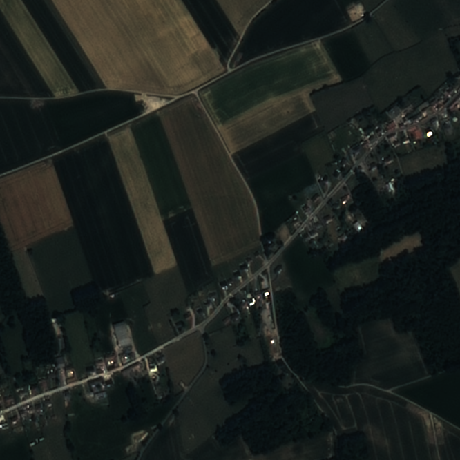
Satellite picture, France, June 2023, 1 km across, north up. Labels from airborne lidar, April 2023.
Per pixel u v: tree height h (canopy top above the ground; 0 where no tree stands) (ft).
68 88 0
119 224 0
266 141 0
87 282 0
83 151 0
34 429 0
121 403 0
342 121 0
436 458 0
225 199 0
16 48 0
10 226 0
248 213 0
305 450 0
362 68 0
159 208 0
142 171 0
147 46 0
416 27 0
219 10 0
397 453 0
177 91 0
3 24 0
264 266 0
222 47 0
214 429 0
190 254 0
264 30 0
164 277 0
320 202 0
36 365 45
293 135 0
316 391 0
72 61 0
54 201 0
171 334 0
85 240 0
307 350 50
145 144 0
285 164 0
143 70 0
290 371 29
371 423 0
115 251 0
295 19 0
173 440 0
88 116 0
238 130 0
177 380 0
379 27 0
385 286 57
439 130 0
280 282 0
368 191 64
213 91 0
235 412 0
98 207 0
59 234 0
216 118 0
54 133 0
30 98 0
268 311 0
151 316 0
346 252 70
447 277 24
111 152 0
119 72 0
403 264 66
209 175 0
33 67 0
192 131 0
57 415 0
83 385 0
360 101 0
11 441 0
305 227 0
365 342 0
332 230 0
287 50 0
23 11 0
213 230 0
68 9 0
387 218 55
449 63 0
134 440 0
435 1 0
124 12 0
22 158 0
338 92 0
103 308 0
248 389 67
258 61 0
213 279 0
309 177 0
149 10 0
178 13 0
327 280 0
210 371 0
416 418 0
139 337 0
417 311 43
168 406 0
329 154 0
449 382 0
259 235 0
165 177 0
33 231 0
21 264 0
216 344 0
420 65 0
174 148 0
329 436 0
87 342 0
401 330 34
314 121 0
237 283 0
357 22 0
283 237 0
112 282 0
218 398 0
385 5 0
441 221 57
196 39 0
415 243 0
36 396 0
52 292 0
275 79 0
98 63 0
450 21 0
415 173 0
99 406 0
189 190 0
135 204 0
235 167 0
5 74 0
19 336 0
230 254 0
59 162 0
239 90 0
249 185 0
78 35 0
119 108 0
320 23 0
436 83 0
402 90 0
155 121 0
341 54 0
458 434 0
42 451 0
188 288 0
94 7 0
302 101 0
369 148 0
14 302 46
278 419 42
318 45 0
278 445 31
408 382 0
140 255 0
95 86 0
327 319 54
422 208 70
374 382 0
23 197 0
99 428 0
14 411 0
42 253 0
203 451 0
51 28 0
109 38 0
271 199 0
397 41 0
